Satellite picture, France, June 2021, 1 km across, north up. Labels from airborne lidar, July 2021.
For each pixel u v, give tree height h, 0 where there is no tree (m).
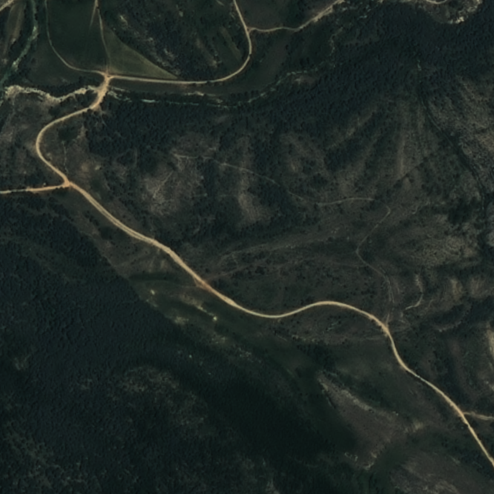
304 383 0
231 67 0
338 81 12
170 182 0
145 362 8
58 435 11
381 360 0
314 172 0
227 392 9
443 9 0
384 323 0
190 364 6
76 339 11
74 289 8
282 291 0
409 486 0
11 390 10
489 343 0
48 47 0
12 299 7
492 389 0
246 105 7
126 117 10
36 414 11
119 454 10
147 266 0
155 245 0
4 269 12
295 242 0
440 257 0
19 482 9
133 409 9
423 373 6
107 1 0
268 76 0
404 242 0
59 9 0
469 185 0
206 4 6
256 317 0
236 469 6
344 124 5
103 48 0
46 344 11
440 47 7
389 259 0
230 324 0
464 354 0
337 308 0
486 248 13
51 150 0
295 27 0
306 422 9
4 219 10
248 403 8
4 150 0
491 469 10
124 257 0
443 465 0
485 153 0
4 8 7
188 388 6
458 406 0
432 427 0
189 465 8
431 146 0
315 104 9
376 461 0
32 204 8
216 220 7
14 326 6
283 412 11
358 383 0
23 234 9
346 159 7
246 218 0
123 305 9
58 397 9
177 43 6
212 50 9
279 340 0
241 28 6
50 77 0
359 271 0
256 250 0
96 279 7
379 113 6
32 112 0
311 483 7
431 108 0
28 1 6
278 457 8
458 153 7
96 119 7
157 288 0
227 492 6
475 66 7
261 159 9
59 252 9
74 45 0
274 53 0
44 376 7
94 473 9
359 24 9
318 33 0
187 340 7
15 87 0
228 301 0
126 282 9
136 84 0
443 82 7
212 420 7
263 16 0
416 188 0
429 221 0
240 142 0
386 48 13
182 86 0
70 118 0
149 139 11
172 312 0
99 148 10
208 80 7
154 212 0
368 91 9
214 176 9
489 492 0
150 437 7
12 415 8
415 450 0
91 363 11
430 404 0
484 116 0
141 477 12
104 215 0
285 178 0
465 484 0
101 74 0
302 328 0
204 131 7
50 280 10
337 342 0
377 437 0
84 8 0
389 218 0
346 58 11
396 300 0
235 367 6
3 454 8
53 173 0
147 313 11
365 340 0
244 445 7
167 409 6
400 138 0
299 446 9
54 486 11
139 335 10
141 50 7
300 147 0
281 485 6
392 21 10
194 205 6
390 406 0
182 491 6
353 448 0
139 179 0
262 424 9
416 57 9
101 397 8
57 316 10
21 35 7
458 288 0
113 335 10
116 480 11
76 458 9
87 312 9
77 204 0
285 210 6
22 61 12
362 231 0
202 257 0
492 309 7
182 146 0
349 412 0
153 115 12
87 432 11
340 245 0
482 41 9
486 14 14
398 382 0
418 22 10
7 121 0
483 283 0
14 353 9
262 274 5
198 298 0
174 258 0
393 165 0
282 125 8
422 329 7
